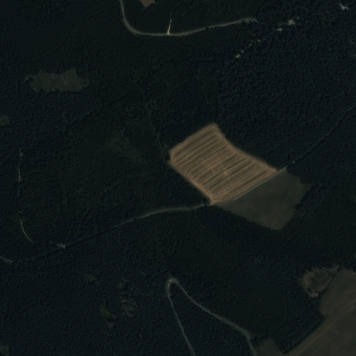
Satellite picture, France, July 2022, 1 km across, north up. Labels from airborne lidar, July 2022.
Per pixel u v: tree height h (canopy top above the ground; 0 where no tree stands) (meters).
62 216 14
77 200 9
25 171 13
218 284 20
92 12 10
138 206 7
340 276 0
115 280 26
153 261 16
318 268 18
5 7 16
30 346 25
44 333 25
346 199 10
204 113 16
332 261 19
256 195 0
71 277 25
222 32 11
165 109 8
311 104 26
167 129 16
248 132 16
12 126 22
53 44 11
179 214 6
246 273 13
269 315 8
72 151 6
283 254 21
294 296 14
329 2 33
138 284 21
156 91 11
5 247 13
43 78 0
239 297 12
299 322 13
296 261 15
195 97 13
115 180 10
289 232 8
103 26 13
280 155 25
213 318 24
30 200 14
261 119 15
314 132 24
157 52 7
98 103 17
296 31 31
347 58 28
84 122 17
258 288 15
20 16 13
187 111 14
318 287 0
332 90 19
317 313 21
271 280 18
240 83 26
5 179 25
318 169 20
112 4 10
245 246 18
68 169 7
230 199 0
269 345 0
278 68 32
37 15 11
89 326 25
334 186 7
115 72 10
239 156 0
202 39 10
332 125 17
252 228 12
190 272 16
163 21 9
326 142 21
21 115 25
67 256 22
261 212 0
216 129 0
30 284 23
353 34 25
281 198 0
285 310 13
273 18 27
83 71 22
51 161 17
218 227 18
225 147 0
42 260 23
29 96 21
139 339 23
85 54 14
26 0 13
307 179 17
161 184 12
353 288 0
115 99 15
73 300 25
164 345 19
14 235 8
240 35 9
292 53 32
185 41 9
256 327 15
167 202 13
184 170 0
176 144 8
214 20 8
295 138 26
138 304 20
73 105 20
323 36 30
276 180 0
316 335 0
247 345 18
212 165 0
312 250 16
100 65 11
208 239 8
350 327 0
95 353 27
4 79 21
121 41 6
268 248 22
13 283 30
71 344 29
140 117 7
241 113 27
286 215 0
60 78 0
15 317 22
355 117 24
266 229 12
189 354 21
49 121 28
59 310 27
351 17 20
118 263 28
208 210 15
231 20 8
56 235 16
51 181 10
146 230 13
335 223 6
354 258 11
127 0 9
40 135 24
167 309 25
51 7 18
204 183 0
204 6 16
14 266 17
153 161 10
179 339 23
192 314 23
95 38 11
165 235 12
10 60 23
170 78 11
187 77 10
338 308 0
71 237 19
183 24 7
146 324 21
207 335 16
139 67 11
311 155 19
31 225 11
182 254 7
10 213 18
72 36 12
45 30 12
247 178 0
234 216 15
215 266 8
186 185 10
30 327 24
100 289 27
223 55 14
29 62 12
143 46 13
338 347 0
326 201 8
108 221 18
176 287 21
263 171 0
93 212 8
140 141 10
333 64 31
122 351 20
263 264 18
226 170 0
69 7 16
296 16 19
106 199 8
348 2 24
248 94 29
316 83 26
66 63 16
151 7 18
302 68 32
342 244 11
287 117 28
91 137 7
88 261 22
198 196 12
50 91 0
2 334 23
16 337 25
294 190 0
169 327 22
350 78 20
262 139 22
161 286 25
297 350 0
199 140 0
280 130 25
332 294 0
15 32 14
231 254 8
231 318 14
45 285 27
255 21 0
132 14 8
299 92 28
